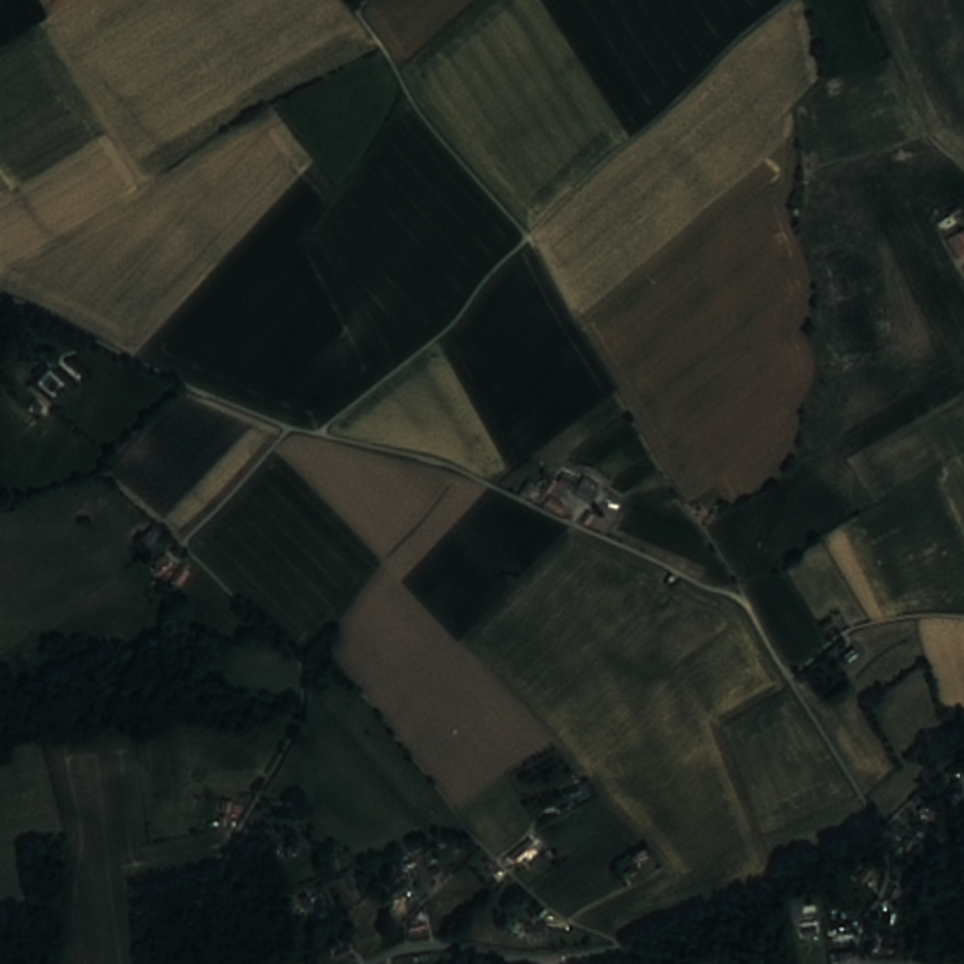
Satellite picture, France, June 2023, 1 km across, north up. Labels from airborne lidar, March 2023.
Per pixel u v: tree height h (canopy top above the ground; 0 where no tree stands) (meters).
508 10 0
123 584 0
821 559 0
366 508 0
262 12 0
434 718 0
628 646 0
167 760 0
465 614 0
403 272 0
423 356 0
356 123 0
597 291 0
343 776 0
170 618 22
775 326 0
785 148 0
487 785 0
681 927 19
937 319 0
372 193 0
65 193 0
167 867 0
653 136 0
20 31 0
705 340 0
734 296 0
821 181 0
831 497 0
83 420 0
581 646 0
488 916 0
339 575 0
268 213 0
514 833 0
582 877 0
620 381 0
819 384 0
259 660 0
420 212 0
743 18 0
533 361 0
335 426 0
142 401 0
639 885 0
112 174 0
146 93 0
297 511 0
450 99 0
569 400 0
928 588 0
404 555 0
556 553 0
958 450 0
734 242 0
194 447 0
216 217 0
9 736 23
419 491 0
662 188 0
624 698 0
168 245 0
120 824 0
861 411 0
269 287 0
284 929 19
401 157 0
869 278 0
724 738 0
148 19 0
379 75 0
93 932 0
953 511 0
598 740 0
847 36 0
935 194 0
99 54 0
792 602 0
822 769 0
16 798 0
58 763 0
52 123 0
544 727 0
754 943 24
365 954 0
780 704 0
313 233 0
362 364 0
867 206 0
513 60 0
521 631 0
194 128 0
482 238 0
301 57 0
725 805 0
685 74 0
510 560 0
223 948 22
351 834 0
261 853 23
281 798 0
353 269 0
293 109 0
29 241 0
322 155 0
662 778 0
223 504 0
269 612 0
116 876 0
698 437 0
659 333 0
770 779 0
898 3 0
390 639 0
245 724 7
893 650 0
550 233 0
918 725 0
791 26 0
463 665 0
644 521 0
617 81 0
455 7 0
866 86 0
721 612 0
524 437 0
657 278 0
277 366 0
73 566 0
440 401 0
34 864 20
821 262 0
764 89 0
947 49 0
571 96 0
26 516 0
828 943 8
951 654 0
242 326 0
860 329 0
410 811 0
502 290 0
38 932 24
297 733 14
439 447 0
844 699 0
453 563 0
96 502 0
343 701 0
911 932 21
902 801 0
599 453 0
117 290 0
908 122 0
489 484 0
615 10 0
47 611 0
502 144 0
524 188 0
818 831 0
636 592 0
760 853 0
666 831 0
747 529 0
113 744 0
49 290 0
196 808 0
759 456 0
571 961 0
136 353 0
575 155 0
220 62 0
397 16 0
